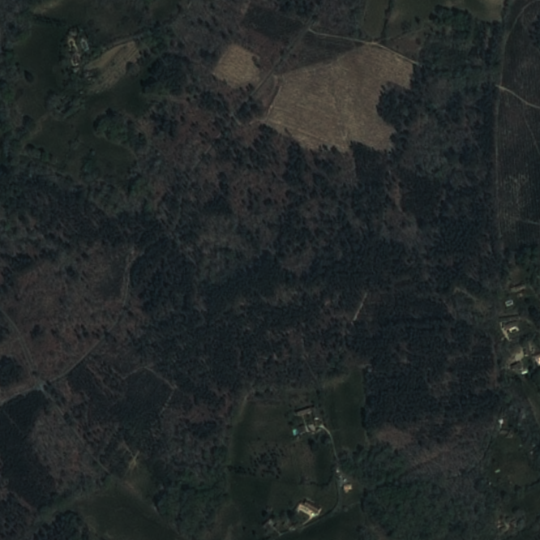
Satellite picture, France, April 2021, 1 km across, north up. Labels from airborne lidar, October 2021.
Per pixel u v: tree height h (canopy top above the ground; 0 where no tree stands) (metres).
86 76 10
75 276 23
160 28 17
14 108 14
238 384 13
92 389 9
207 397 16
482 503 16
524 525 14
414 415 23
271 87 0
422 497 24
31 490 11
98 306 9
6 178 27
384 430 22
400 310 12
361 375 0
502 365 13
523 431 11
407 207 12
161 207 12
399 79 0
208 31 18
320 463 0
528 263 21
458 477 11
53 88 0
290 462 0
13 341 0
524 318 16
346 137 0
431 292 23
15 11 21
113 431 13
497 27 17
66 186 13
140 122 9
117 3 9
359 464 19
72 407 7
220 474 16
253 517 0
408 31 20
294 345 8
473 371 13
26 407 11
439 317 11
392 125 18
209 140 8
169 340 11
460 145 9
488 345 9
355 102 0
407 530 25
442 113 12
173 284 15
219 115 18
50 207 13
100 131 22
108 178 9
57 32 0
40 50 0
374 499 24
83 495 20
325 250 7
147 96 17
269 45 0
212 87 10
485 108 16
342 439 0
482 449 10
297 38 0
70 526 19
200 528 20
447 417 8
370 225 18
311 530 0
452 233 22
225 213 17
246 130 9
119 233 16
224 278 18
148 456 6
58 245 23
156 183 15
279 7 18
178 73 26
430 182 12
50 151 0
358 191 11
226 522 0
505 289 16
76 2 0
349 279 21
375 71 0
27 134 19
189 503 27
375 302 6
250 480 0
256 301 19
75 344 7
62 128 0
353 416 0
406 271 25
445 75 17
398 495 22
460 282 24
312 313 14
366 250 17
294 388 12
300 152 14
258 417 0
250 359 15
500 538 15
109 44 8
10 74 20
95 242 13
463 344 24
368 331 19
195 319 17
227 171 10
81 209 16
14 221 21
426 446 13
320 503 0
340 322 6
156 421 10
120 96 0
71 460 7
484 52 9
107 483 18
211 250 17
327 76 0
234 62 0
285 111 0
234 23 13
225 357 16
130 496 0
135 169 9
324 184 27
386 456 15
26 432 11
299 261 8
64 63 16
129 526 0
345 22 11
